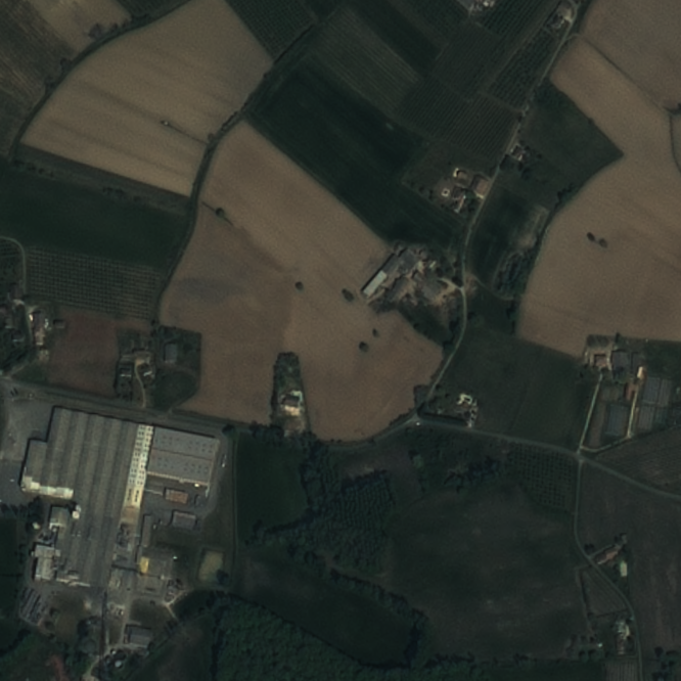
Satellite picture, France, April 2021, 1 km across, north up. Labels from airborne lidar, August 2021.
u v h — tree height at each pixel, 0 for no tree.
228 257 0
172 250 0
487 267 0
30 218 0
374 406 0
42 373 0
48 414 0
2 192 0
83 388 0
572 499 0
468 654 0
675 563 0
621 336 10
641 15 0
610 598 0
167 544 0
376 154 0
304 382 0
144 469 0
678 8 0
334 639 0
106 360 0
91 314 0
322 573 27
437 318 0
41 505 9
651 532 0
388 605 18
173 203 0
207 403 0
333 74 0
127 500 0
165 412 0
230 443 0
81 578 0
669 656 10
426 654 24
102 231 0
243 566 0
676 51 0
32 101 0
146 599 0
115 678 14
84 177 0
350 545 0
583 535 0
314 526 19
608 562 6
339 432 0
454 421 11
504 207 0
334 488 0
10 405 0
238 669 24
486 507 0
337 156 0
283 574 0
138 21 12
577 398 0
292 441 7
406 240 0
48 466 0
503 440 0
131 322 0
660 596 0
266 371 0
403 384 0
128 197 12
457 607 0
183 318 0
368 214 0
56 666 0
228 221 0
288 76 0
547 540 0
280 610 0
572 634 0
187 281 0
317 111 0
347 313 0
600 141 0
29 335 10
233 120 7
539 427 0
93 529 0
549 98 14
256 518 0
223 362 0
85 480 0
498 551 0
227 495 0
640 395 0
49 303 0
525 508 0
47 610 0
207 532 0
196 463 0
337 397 0
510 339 0
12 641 0
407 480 0
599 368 8
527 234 0
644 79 0
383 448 0
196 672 0
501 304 0
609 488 0
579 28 0
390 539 0
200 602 0
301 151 0
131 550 0
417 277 0
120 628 0
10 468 0
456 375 0
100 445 0
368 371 0
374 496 0
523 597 0
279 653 30
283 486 0
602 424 0
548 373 0
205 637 0
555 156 0
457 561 0
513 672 8
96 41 21
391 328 0
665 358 0
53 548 0
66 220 0
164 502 0
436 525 0
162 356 0
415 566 0
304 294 0
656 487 0
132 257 0
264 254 0
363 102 0
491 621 0
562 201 12
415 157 0
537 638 0
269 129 0
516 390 0
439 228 0
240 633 23
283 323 0
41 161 0
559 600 0
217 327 0
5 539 0
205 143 0
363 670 20
